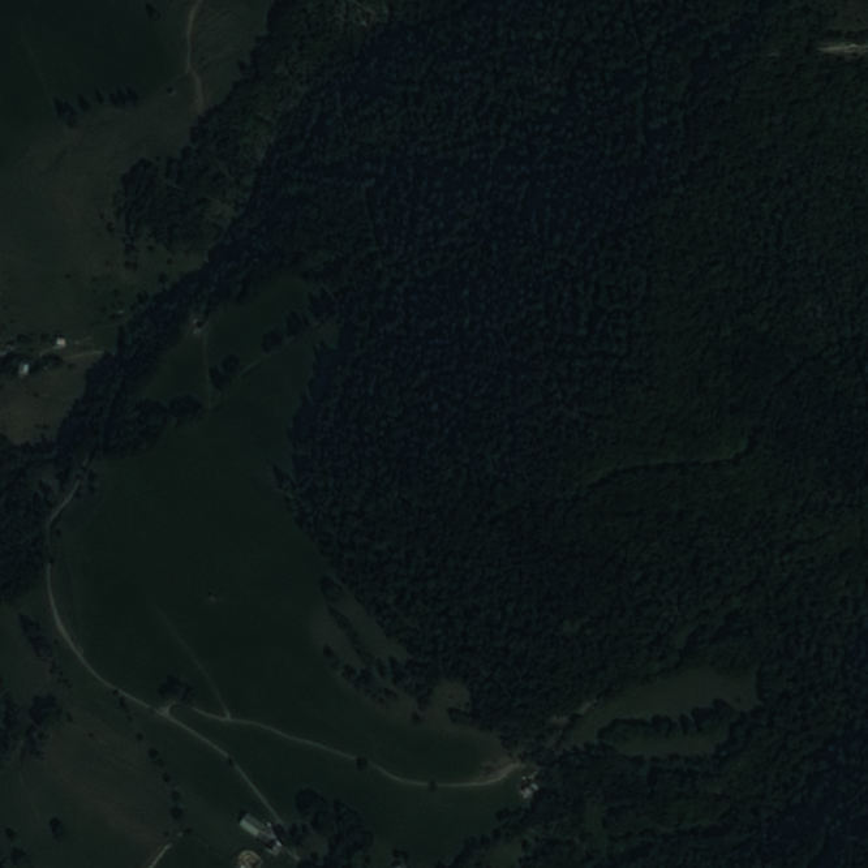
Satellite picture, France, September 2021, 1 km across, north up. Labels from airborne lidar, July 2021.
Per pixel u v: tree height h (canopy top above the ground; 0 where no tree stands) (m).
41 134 0
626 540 30
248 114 15
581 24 22
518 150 22
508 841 11
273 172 22
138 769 0
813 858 25
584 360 13
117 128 0
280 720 0
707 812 30
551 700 26
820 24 21
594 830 0
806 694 20
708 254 23
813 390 17
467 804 0
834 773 31
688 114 11
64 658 0
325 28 15
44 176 0
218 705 0
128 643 0
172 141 0
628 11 10
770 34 18
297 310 0
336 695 0
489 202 25
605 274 27
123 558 0
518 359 22
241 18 0
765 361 20
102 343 0
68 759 0
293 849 13
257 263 31
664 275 23
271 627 0
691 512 27
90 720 0
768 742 36
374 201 15
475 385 22
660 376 24
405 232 11
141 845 0
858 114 24
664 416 27
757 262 24
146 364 30
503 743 13
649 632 19
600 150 30
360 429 16
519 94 9
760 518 29
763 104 21
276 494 0
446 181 19
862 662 28
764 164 29
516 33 26
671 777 13
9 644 0
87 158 0
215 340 0
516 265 27
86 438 30
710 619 24
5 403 0
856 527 27
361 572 13
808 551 22
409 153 38
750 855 36
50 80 0
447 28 30
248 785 0
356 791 0
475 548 26
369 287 14
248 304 25
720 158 25
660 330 21
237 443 0
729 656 37
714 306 33
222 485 0
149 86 0
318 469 16
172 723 0
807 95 21
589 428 24
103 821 0
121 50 0
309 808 24
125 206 7
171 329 29
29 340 6
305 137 35
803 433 27
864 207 19
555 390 25
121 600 0
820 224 18
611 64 28
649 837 17
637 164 12
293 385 0
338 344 0
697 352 25
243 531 0
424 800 0
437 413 12
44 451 11
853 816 35
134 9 0
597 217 29
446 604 27
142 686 0
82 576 0
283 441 0
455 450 21
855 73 24
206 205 23
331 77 18
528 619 19
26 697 0
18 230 0
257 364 0
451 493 25
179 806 18
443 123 27
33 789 0
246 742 0
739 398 23
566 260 23
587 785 24
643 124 8
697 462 30
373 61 34
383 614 24
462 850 0
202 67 0
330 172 24
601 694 13
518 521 20
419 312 22
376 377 27
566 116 25
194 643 0
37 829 0
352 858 23
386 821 0
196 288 26
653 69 23
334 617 11
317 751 0
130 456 22
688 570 15
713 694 0
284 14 22
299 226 28
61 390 0
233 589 0
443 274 20
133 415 20
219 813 0
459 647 14
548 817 17
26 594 19
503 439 27
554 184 29
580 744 0
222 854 0
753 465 26
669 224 23
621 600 16
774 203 22
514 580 24
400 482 23
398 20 20
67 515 0
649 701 0
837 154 23
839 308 20
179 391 0
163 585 0
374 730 0
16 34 0
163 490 0
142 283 0
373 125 14
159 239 14
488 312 16
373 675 16
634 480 33
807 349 22
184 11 0
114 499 0
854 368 24
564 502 8
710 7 19
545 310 6
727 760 24
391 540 25
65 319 0
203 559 0
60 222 0
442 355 26
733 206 26
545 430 22
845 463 23
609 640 24
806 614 44
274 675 0
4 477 29
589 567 20
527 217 25
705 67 15
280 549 0
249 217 26
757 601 28
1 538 35
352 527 25
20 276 0
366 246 29
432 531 23
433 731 0
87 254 0
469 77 28
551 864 31
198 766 0
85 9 0
